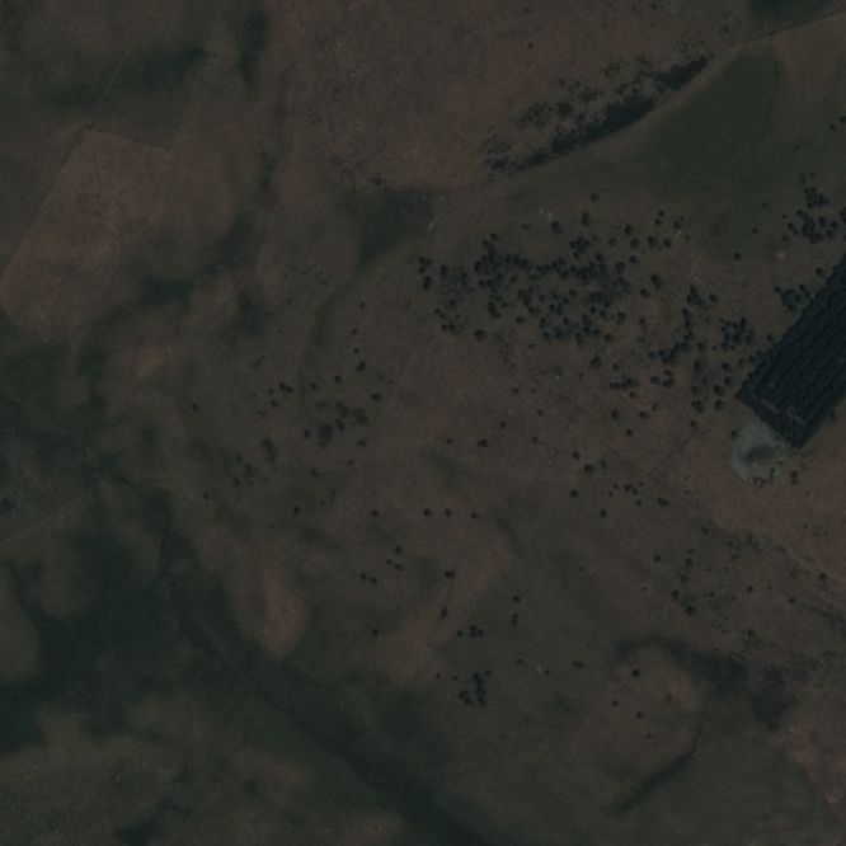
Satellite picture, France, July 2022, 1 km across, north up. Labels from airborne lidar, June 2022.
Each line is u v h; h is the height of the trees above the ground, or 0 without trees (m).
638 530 0
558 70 0
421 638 0
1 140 0
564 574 0
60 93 0
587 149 0
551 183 0
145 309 0
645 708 0
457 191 0
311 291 0
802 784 0
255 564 0
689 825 0
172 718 0
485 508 0
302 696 0
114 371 0
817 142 0
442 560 0
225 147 0
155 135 0
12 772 0
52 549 0
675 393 0
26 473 0
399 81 0
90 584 0
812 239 11
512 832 0
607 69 0
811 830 0
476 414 0
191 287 0
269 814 0
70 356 0
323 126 0
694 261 0
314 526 0
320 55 0
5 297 0
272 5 0
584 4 0
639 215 0
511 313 0
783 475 0
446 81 0
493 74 0
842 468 0
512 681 0
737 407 0
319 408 0
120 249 0
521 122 0
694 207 0
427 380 0
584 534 0
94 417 0
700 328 0
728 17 0
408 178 0
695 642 0
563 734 0
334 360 0
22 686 0
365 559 0
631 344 0
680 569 0
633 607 0
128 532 0
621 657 0
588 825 0
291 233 0
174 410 0
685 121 0
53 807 0
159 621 0
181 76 0
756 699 0
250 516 0
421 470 0
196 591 0
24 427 0
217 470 0
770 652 0
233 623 0
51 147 0
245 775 0
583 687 0
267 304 0
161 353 0
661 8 0
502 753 0
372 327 0
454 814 0
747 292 0
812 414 18
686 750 0
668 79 0
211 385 0
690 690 0
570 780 0
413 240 0
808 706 0
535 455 0
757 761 0
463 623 0
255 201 0
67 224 0
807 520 0
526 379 0
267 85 0
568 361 0
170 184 0
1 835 0
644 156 0
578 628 0
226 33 0
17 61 0
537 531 0
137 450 0
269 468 0
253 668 0
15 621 0
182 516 0
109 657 0
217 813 0
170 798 0
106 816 0
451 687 0
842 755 0
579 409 0
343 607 0
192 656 0
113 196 0
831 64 0
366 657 0
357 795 0
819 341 17
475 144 0
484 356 0
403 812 0
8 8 0
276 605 0
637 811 0
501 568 0
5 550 0
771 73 0
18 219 0
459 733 0
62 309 0
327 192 0
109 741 0
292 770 0
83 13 0
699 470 0
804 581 0
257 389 0
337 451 0
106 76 0
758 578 0
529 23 0
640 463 0
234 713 0
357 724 0
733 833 0
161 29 0
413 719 0
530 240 0
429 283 12
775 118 0
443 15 0
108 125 0
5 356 0
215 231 0
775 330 0
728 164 0
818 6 0
